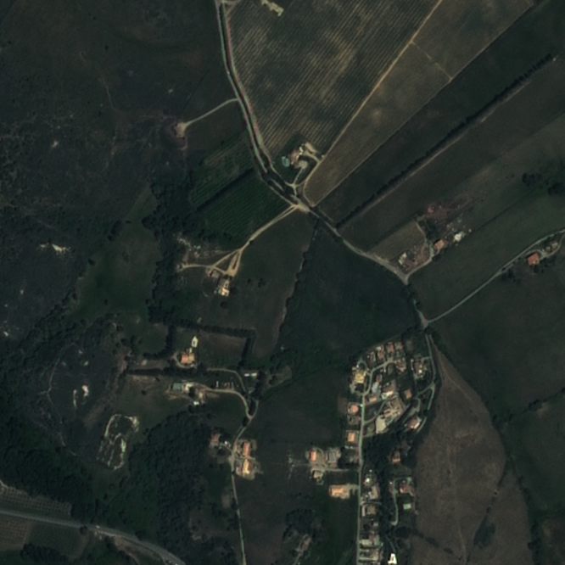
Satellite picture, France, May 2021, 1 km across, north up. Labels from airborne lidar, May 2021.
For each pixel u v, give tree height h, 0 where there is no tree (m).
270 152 0
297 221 0
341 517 0
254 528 0
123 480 9
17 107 0
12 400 11
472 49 0
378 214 0
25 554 16
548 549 0
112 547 19
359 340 0
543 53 0
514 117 0
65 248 0
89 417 0
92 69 0
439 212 0
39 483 20
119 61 0
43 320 11
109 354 0
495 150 0
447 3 0
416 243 0
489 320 0
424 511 0
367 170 0
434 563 0
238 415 0
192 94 0
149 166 0
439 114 0
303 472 0
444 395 0
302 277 10
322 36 0
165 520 10
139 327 0
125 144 0
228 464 0
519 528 0
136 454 12
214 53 0
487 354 0
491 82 0
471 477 0
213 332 12
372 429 0
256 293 0
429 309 0
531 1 0
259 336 0
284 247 0
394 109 0
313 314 0
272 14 0
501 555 0
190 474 6
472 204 0
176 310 9
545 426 0
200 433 7
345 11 0
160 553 0
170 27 0
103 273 0
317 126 0
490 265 0
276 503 0
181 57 0
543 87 0
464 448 0
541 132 0
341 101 0
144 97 0
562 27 0
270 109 0
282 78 0
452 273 0
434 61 0
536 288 0
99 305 0
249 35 0
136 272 0
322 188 0
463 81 0
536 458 0
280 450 0
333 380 0
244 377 6
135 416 0
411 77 0
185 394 0
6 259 5
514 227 0
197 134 0
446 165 0
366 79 0
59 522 0
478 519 0
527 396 0
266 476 0
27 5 0
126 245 0
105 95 0
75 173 0
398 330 0
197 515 0
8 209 8
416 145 0
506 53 0
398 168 0
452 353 0
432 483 0
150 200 0
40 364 9
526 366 0
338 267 0
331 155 0
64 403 0
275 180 9
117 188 0
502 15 0
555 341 0
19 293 0
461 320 0
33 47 0
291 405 0
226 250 0
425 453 0
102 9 0
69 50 0
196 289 0
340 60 0
